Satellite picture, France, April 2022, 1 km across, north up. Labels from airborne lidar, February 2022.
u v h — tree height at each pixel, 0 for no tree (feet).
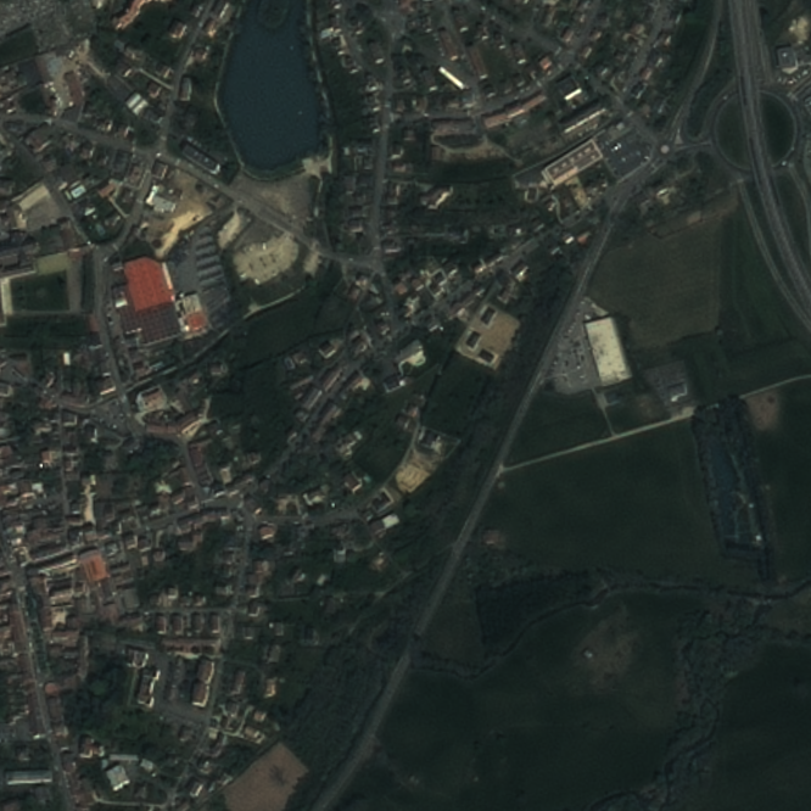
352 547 0
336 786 0
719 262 0
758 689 0
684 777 57
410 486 0
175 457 54
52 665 31
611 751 0
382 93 0
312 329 0
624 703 0
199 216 0
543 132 0
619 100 0
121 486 33
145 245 0
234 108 0
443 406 0
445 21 0
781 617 0
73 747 0
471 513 0
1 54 0
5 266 0
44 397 0
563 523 0
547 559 0
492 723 0
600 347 0
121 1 33
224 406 0
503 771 0
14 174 0
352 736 52
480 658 0
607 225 0
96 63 0
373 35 0
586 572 0
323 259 28
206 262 0
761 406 0
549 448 0
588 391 0
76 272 0
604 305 0
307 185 0
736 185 0
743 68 0
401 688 0
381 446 0
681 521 0
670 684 0
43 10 0
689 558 0
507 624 0
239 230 0
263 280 0
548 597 0
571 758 0
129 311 0
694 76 0
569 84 0
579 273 37
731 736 0
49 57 0
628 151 0
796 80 0
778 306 0
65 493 0
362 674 59
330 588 50
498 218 0
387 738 0
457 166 0
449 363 23
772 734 0
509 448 0
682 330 0
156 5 0
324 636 0
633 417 0
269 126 0
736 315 0
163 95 0
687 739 53
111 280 0
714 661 52
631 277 0
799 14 0
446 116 0
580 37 0
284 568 0
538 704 0
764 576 51
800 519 0
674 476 0
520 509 0
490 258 0
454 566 0
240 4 30
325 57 0
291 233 0
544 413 0
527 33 0
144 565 0
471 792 0
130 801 0
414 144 0
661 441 0
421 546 26
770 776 0
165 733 36
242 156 0
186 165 0
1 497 0
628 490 0
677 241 0
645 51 0
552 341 0
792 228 0
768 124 0
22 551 0
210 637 0
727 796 0
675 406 0
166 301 0
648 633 0
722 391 0
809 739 0
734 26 0
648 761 0
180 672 0
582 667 0
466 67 0
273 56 0
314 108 0
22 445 30
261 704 22
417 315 20
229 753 24
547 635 0
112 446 0
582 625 0
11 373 0
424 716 0
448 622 0
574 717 0
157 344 0
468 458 76
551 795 0
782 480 0
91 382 35
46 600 0
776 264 0
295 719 46
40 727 0
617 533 0
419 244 41
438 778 0
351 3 64
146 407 0
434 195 0
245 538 0
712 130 0
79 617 0
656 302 0
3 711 35
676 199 0
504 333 0
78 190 0
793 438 0
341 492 0
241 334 67
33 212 0
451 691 0
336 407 0
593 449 0
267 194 0
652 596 0
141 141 0
